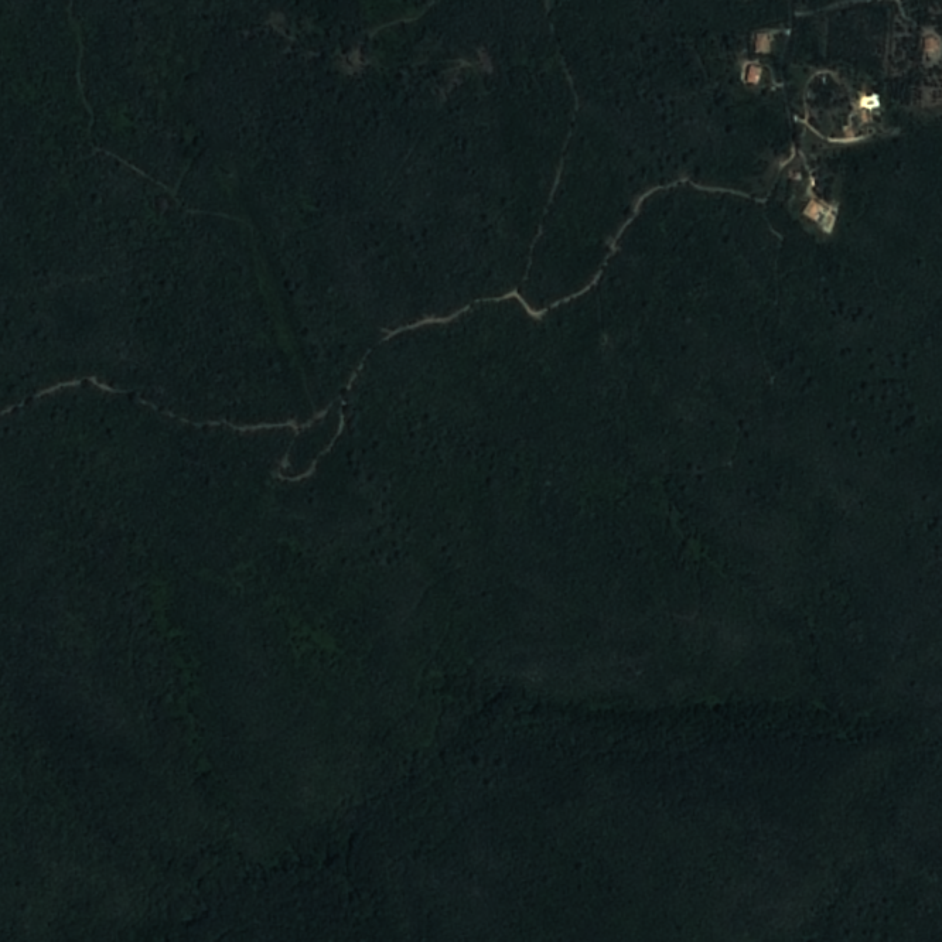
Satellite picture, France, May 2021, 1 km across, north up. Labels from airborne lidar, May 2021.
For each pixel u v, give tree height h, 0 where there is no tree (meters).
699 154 14
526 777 8
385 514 6
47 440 7
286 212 6
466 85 6
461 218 6
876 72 6
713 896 6
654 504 7
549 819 7
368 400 9
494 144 6
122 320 7
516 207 7
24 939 7
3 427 7
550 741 7
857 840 9
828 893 11
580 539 5
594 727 12
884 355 6
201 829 10
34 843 6
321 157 8
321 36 11
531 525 9
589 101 7
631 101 8
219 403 6
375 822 7
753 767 10
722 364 6
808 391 11
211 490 8
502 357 8
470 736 19
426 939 7
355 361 5
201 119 6
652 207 6
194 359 7
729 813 8
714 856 8
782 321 8
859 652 6
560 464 7
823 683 9
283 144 7
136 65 11
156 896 13
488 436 12
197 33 13
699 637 8
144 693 11
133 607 13
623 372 6
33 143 6
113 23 7
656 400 6
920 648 7
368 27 12
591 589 6
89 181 5
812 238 10
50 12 7
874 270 6
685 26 8
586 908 7
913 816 6
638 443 6
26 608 6
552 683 5
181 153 8
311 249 7
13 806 6
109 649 9
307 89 11
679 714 14
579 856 6
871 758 6
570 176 6
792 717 11
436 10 8
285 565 11
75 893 6
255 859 9
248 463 7
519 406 8
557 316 7
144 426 7
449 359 8
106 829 15
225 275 8
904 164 12
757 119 6
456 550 7
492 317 6
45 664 8
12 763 8
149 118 10
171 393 6
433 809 7
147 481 6
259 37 14
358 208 8
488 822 6
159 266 8
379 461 7
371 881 11
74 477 11
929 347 8
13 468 7
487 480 8
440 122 6
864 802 13
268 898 12
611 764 10
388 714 6
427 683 8
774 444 5
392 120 7
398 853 10
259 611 6
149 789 7
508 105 5
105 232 7
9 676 12
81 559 9
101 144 6
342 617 8
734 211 8
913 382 6
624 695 7
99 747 10
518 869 6
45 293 6
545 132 7
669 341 7
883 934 7
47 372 7
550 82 8
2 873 6
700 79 12
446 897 5
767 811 9
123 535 16
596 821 6
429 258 7
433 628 6
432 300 7
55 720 12
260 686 5
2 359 6
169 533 9
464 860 6
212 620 5
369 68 10
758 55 6
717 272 8
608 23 8
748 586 12
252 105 8
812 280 6
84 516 14
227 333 11
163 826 6
